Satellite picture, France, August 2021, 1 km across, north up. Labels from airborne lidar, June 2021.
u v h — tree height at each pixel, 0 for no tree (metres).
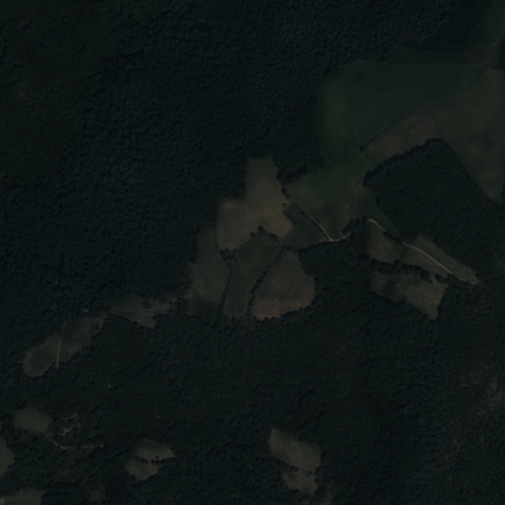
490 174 0
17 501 0
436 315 0
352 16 14
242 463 7
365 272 24
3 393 10
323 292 16
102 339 12
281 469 15
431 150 17
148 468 0
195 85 18
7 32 20
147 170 18
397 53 0
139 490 18
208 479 17
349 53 16
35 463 11
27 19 25
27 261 24
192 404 19
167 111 21
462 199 15
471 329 13
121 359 18
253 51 19
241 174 17
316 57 16
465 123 0
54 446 11
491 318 16
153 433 9
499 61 0
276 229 0
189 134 19
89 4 14
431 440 11
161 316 8
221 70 22
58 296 11
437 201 17
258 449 16
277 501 13
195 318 8
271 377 21
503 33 0
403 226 21
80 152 22
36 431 0
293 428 12
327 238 0
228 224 0
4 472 0
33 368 0
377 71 0
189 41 10
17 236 22
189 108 24
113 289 18
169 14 28
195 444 18
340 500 9
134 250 19
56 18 27
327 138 0
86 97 24
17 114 21
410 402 19
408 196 22
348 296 17
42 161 23
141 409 23
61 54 25
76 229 17
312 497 7
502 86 0
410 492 10
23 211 21
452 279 13
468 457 12
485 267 15
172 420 18
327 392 25
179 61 17
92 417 20
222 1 31
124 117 17
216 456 24
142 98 21
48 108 17
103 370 18
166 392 17
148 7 24
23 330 20
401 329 23
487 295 12
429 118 0
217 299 0
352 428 15
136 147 8
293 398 18
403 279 0
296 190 0
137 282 18
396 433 20
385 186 30
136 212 7
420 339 20
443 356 13
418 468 7
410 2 20
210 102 21
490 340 14
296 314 13
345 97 0
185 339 12
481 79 0
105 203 15
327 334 18
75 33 25
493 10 0
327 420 13
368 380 29
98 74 24
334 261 20
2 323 17
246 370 18
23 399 13
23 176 22
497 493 25
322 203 0
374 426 15
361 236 24
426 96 0
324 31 18
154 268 20
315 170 19
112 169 11
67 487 17
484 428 14
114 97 21
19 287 22
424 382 20
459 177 13
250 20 19
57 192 18
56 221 15
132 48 30
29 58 22
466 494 22
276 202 0
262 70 18
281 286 0
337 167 0
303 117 18
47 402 17
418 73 0
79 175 14
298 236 0
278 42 18
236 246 0
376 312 24
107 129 23
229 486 25
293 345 16
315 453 0
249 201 0
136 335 16
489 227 16
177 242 16
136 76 29
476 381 10
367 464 6
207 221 15
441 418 9
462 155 0
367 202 0
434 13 15
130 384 23
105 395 12
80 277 19
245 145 14
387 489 27
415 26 13
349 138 0
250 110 19
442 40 0
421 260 0
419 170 20
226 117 18
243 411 14
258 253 0
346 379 16
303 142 17
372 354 27
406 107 0
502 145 0
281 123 15
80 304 10
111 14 20
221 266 0
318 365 19
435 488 11
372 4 19
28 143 19
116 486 6
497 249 9
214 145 18
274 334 14
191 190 17
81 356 14
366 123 0
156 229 10
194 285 0
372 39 22
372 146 0
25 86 8
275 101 16
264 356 17
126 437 6
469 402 15
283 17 17
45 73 21
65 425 14
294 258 0
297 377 16
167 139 20
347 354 11
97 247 18
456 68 0
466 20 0
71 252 16
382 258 0
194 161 20
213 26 30
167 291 10
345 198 0
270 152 15
